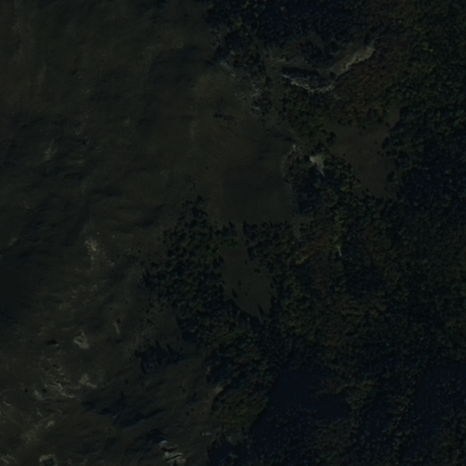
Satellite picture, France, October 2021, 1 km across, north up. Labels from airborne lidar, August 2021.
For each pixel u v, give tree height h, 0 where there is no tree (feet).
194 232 37
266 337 76
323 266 36
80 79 0
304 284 80
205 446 0
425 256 76
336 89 38
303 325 91
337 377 82
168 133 0
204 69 0
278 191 0
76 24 0
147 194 0
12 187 0
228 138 0
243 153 0
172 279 39
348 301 101
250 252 30
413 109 61
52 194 0
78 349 0
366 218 84
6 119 0
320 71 0
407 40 51
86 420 0
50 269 0
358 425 63
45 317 0
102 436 0
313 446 58
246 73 0
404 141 52
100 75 0
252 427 0
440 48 90
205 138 0
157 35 0
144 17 0
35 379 0
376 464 70
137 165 0
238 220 0
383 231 69
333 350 95
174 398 0
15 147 0
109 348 0
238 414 49
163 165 0
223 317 87
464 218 83
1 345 0
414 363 77
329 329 84
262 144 0
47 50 0
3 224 0
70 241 0
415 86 86
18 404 0
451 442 35
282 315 65
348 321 90
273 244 43
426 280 77
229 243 42
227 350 37
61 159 0
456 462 59
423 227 73
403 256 70
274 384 62
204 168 0
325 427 64
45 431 0
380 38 35
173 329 0
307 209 26
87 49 0
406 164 40
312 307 77
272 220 0
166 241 26
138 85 0
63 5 0
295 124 37
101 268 0
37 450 0
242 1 30
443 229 68
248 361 56
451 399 36
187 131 0
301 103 67
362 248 65
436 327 86
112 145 0
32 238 0
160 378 0
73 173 0
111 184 0
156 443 0
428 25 85
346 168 43
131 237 0
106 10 0
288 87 49
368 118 82
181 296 62
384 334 91
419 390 43
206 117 0
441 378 75
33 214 0
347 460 43
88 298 0
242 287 22
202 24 0
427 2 76
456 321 70
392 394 66
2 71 0
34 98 0
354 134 0
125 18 0
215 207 0
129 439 0
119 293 0
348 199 50
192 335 33
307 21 45
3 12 0
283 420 70
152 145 0
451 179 48
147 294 0
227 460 23
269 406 41
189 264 28
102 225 0
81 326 0
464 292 62
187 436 0
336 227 72
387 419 56
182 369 0
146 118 0
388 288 88
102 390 0
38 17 0
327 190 80
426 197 73
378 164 0
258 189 0
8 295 0
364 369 83
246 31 41
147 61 0
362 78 73
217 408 57
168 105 0
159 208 0
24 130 0
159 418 0
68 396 0
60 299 0
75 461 0
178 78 0
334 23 50
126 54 0
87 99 0
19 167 0
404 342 81
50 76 0
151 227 0
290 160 26
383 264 89
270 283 0
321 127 29
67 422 0
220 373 37
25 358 0
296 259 56
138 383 0
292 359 91
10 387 0
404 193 29
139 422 0
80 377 0
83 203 0
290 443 26
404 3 67
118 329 0
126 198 0
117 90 0
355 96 72
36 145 0
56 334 0
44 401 0
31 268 0
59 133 0
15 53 0
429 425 37
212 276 30
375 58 52
